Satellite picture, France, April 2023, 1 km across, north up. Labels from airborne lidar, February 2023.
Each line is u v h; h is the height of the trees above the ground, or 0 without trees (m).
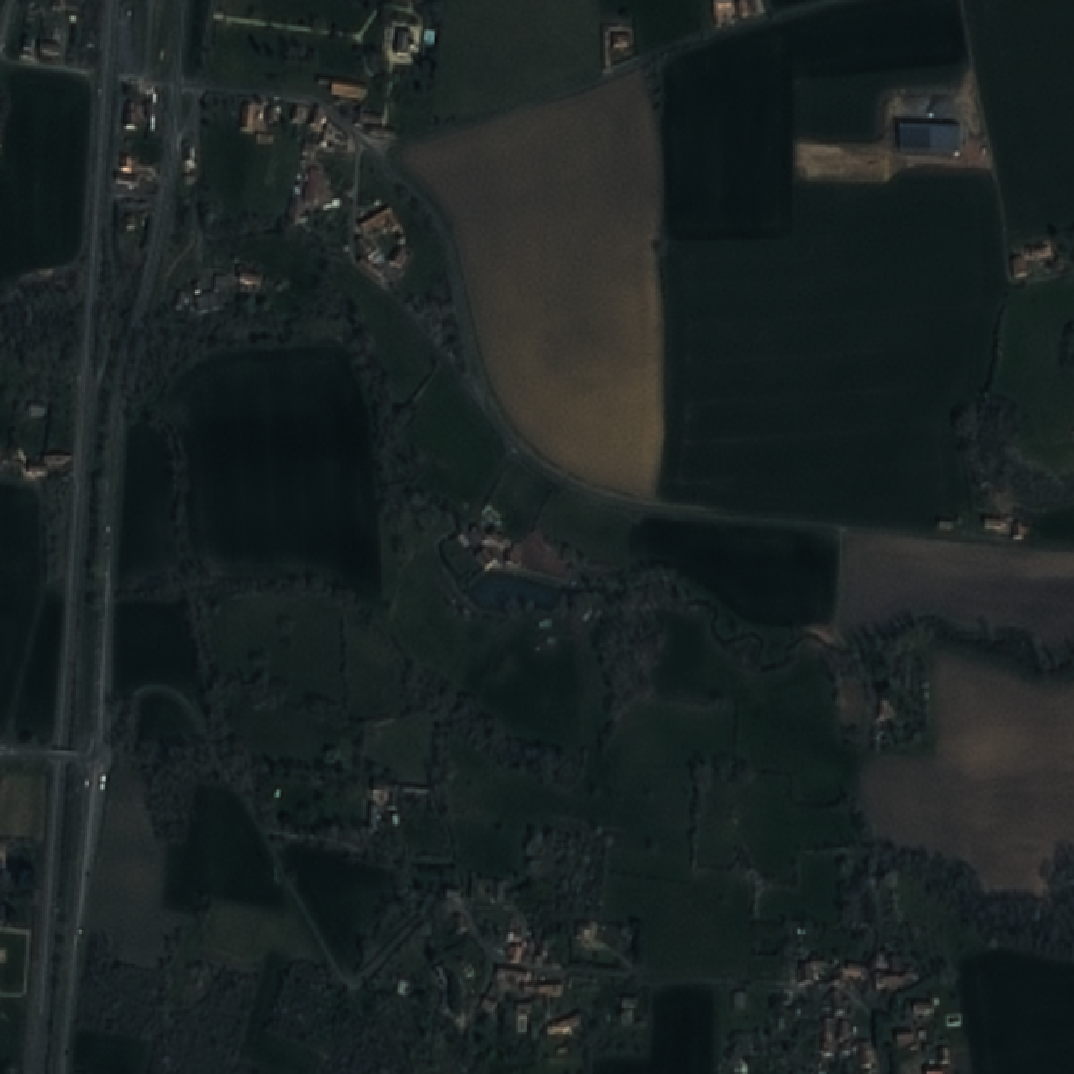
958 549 0
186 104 0
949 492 0
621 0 0
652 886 0
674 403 0
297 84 0
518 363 0
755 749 0
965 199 0
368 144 0
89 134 0
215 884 0
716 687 0
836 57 0
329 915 0
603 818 0
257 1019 0
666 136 0
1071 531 0
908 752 0
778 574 0
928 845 0
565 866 6
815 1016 11
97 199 0
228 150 0
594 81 0
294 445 0
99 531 11
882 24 0
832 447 0
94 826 0
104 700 0
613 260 0
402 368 0
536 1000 8
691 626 0
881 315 0
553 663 0
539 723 0
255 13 10
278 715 0
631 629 21
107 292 18
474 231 0
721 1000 0
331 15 0
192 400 0
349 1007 8
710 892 0
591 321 0
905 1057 0
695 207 0
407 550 18
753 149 0
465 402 0
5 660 0
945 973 16
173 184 0
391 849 16
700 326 0
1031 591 0
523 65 0
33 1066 0
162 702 0
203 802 0
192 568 14
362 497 0
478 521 0
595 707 0
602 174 0
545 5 0
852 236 0
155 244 0
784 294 0
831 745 0
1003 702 0
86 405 0
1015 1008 0
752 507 0
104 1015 8
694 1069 0
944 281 0
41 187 0
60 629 0
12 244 0
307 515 0
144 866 0
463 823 0
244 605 0
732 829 0
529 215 0
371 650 0
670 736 0
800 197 0
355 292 0
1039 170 0
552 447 0
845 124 0
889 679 7
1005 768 0
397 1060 16
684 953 0
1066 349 6
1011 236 0
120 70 0
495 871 0
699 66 0
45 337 21
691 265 0
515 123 0
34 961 0
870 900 16
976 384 0
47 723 0
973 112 0
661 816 0
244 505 0
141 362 18
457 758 0
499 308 0
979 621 0
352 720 6
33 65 0
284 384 0
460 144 0
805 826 0
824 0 0
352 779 14
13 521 0
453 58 0
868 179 0
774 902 0
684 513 0
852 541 0
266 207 0
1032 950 14
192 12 0
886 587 0
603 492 0
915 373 0
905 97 0
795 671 0
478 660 0
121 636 0
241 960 0
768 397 0
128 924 0
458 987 12
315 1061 0
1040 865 0
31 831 0
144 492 0
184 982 0
